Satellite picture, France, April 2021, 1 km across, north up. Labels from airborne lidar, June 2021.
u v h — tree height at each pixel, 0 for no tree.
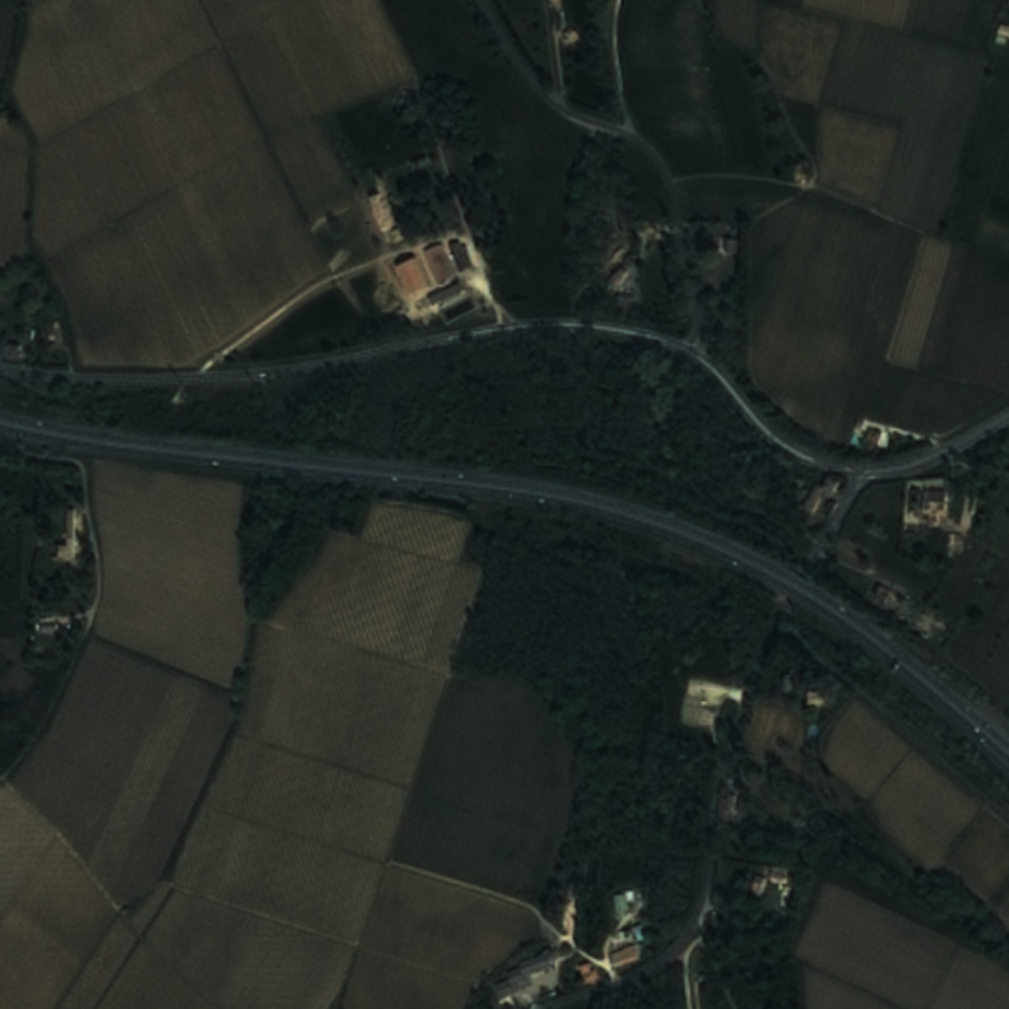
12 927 0
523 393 13
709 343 17
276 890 0
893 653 0
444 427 6
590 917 16
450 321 0
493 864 0
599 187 20
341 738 0
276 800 0
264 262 0
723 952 24
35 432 0
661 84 0
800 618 8
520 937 0
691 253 15
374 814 0
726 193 0
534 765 0
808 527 12
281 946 0
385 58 0
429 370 12
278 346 0
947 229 6
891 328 0
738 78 0
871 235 0
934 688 0
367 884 0
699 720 0
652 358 31
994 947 13
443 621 0
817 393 0
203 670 0
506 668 15
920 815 0
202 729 0
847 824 11
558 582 24
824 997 0
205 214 0
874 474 0
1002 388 0
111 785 0
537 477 0
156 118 0
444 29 0
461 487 0
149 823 0
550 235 0
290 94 0
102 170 0
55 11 0
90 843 0
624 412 24
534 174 0
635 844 21
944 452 0
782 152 13
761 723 0
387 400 13
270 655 0
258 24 0
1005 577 0
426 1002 0
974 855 0
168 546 0
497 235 6
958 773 0
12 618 0
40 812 0
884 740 0
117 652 0
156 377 0
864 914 0
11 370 0
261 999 0
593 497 0
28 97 0
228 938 0
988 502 10
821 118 0
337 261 0
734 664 12
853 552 0
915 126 0
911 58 0
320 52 0
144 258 0
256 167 0
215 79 0
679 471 23
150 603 0
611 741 14
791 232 0
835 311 0
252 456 0
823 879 0
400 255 0
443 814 0
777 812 0
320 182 0
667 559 10
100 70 0
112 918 0
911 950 0
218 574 0
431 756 0
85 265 0
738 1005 12
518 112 0
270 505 14
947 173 0
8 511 9
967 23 0
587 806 19
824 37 0
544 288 0
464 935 0
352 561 0
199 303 0
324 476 0
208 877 0
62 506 16
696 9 0
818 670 6
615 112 18
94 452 0
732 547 0
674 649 18
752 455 14
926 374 0
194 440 12
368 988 0
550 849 0
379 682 0
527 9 7
